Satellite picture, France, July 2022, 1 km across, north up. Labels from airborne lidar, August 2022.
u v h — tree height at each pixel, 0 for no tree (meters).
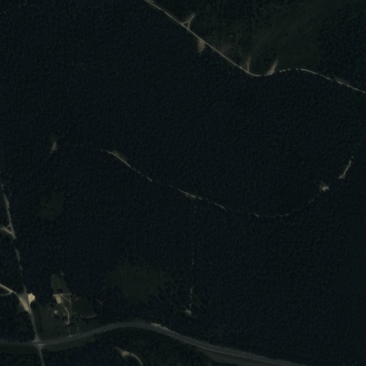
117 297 25
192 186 31
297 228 30
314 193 16
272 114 23
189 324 31
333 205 25
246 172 33
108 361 13
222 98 28
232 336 28
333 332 23
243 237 31
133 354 0
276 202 27
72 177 34
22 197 32
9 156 28
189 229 29
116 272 0
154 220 33
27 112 30
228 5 6
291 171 31
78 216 28
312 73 6
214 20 0
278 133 33
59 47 27
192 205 33
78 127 22
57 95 27
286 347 17
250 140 30
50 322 0
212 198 32
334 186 26
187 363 7
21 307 0
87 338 0
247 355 0
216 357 0
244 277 32
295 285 24
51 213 0
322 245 27
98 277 32
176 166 31
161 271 23
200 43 0
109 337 14
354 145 28
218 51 0
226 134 31
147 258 32
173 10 7
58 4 28
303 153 9
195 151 34
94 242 32
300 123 28
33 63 22
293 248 23
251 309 31
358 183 17
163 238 24
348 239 17
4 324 11
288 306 27
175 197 32
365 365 20
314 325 32
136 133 25
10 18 18
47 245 18
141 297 0
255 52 0
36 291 28
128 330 11
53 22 33
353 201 16
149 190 28
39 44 26
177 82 31
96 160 27
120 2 29
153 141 31
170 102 33
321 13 0
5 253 40
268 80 26
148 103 27
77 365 39
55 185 20
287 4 9
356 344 20
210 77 24
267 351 27
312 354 17
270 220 27
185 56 27
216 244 31
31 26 14
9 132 31
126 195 25
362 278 19
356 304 21
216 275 30
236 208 33
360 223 16
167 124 35
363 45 7
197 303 0
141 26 32
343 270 20
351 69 13
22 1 23
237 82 30
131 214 29
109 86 29
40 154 23
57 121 27
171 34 33
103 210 18
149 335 9
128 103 30
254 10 17
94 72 24
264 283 27
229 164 30
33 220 21
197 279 33
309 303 29
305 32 0
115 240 27
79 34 23
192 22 0
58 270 22
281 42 0
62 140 25
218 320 27
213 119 28
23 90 19
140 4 34
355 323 21
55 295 0
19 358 9
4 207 8
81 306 0
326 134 32
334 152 28
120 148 23
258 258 31
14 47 20
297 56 0
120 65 25
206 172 33
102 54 30
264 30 0
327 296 26
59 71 30
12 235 0
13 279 6
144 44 25
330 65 20
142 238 30
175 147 35
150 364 16
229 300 33
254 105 19
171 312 32
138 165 31
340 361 23
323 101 27
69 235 27
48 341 0
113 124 32
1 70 21
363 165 20
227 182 30
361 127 29
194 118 30
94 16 30
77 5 38
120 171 25
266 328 30
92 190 34
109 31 28
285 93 24
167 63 28
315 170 24
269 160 31
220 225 34
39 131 30
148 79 27
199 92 28
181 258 29
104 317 8
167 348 7
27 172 31
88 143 29
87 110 28
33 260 34
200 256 27
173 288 35
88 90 21
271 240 25
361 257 19
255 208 27
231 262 14
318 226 29
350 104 26
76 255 31
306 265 23
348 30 11
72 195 25
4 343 0
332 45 6
